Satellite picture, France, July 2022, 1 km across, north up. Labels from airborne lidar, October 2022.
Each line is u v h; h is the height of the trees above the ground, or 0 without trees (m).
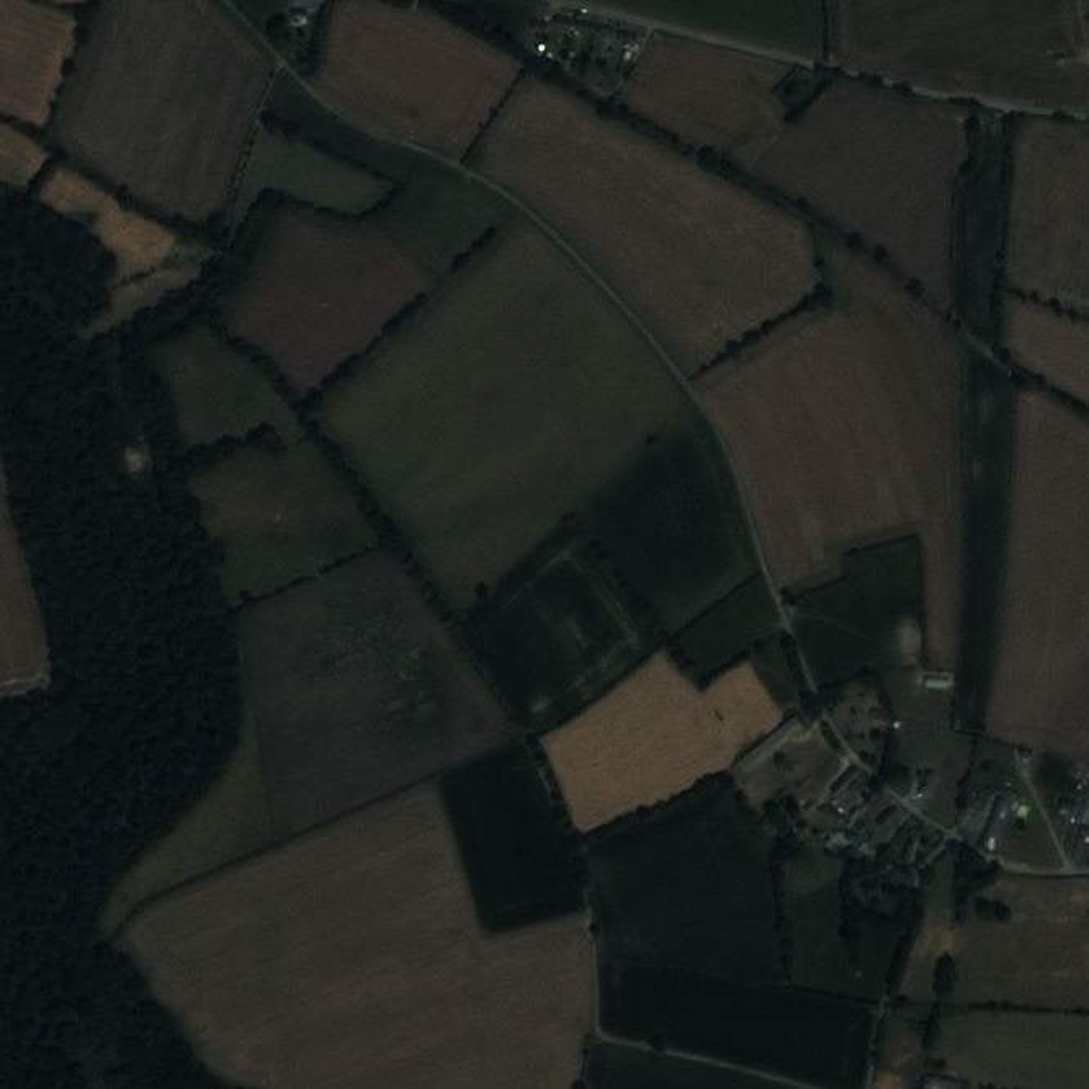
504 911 0
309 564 0
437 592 11
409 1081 0
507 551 0
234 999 0
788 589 0
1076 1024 0
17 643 0
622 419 0
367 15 0
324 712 0
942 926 0
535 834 0
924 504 0
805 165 0
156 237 0
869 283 0
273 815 0
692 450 0
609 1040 0
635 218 0
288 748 0
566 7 0
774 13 0
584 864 14
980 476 0
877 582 0
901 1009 11
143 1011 12
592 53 9
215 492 0
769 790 0
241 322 0
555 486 0
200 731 18
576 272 0
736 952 0
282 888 0
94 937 12
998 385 0
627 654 0
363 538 0
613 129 0
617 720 0
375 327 0
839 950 0
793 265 0
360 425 0
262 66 0
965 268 0
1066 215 0
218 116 0
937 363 0
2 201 6
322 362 0
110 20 0
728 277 0
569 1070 0
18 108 0
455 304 0
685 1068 0
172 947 0
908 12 0
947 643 0
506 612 0
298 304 0
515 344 0
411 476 0
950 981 18
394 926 0
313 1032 0
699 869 0
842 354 0
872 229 0
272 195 16
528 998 0
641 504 0
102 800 13
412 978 0
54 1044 8
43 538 17
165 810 26
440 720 0
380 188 0
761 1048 0
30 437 22
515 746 0
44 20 0
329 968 0
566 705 0
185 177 0
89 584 19
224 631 17
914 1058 0
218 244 13
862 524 0
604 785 0
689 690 0
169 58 0
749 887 0
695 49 0
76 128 0
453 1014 0
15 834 24
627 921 0
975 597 0
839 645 0
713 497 0
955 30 0
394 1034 0
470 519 0
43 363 19
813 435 0
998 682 0
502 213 0
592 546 8
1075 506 0
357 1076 0
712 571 0
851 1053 0
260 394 0
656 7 0
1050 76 0
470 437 0
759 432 0
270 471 0
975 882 17
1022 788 0
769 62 0
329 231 0
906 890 12
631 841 0
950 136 0
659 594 0
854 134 0
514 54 6
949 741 0
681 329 0
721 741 0
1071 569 0
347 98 0
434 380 0
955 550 0
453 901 0
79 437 16
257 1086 0
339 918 0
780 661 0
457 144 0
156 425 13
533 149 0
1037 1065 0
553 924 0
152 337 13
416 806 0
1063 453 0
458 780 0
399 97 0
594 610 0
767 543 0
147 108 0
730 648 0
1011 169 14
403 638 0
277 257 0
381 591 0
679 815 0
